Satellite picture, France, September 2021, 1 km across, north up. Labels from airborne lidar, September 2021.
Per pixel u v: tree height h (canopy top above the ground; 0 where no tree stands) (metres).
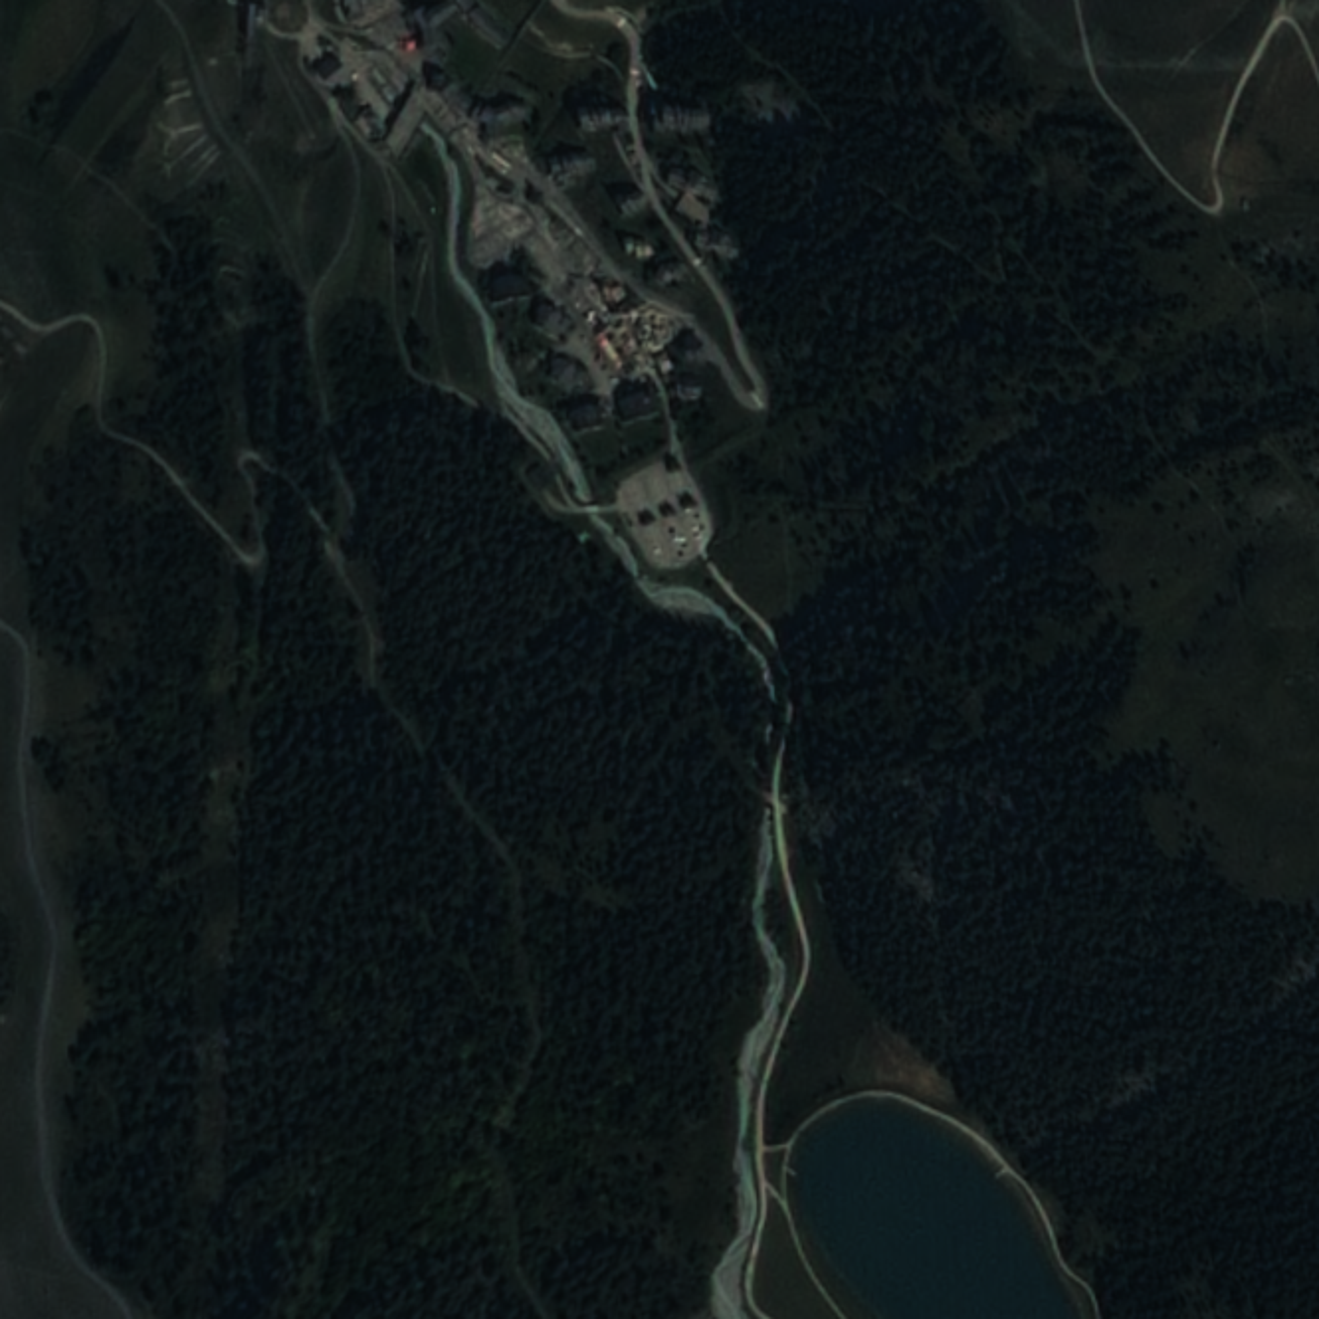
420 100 0
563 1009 18
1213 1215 18
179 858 8
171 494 7
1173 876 15
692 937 16
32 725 0
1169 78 0
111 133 0
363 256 0
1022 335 16
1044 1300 0
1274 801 0
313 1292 20
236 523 0
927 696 11
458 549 13
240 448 0
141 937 6
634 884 19
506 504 10
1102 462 11
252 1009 7
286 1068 15
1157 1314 15
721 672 15
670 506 8
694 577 0
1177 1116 19
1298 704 0
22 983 0
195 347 8
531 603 14
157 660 6
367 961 12
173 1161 5
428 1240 11
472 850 6
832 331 15
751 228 19
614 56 9
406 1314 10
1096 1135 13
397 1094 11
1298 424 7
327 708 7
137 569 7
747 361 0
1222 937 22
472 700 16
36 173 0
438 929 15
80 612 17
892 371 11
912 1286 0
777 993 0
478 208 0
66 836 0
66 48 0
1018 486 15
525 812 13
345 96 11
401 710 6
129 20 0
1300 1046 17
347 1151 12
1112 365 8
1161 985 26
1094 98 0
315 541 24
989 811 9
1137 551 0
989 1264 0
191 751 10
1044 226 10
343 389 12
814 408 9
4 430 0
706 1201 0
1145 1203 11
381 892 10
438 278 0
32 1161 0
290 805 8
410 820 18
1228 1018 15
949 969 20
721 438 0
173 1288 13
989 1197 0
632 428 0
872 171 17
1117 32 0
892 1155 0
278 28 0
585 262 0
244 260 0
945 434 12
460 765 12
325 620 15
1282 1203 17
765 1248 0
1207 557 0
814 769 12
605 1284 18
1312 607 0
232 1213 9
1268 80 0
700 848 23
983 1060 11
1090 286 12
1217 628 0
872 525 12
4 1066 0
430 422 18
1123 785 15
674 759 16
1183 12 0
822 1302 0
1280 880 0
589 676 18
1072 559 10
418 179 0
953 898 14
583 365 7
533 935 10
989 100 13
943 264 16
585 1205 19
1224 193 0
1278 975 12
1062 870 30
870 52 6
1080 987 16
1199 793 0
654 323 0
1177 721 0
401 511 12
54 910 0
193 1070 10
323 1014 8
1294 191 0
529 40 0
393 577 17
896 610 7
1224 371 8
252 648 10
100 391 0
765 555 0
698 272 0
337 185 0
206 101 0
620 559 0
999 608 13
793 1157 0
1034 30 0
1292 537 0
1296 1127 14
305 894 8
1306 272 8
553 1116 9
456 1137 6
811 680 15
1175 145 0
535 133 7
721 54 6
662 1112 17
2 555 0
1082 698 10
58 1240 0
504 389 0
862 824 12
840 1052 0
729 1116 0
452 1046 11
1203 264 0
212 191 7
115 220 0
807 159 21
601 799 16
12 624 0
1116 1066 15
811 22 13
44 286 0
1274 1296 17
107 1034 15
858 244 8
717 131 9
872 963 19
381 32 0
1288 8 0
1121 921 25
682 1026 12
